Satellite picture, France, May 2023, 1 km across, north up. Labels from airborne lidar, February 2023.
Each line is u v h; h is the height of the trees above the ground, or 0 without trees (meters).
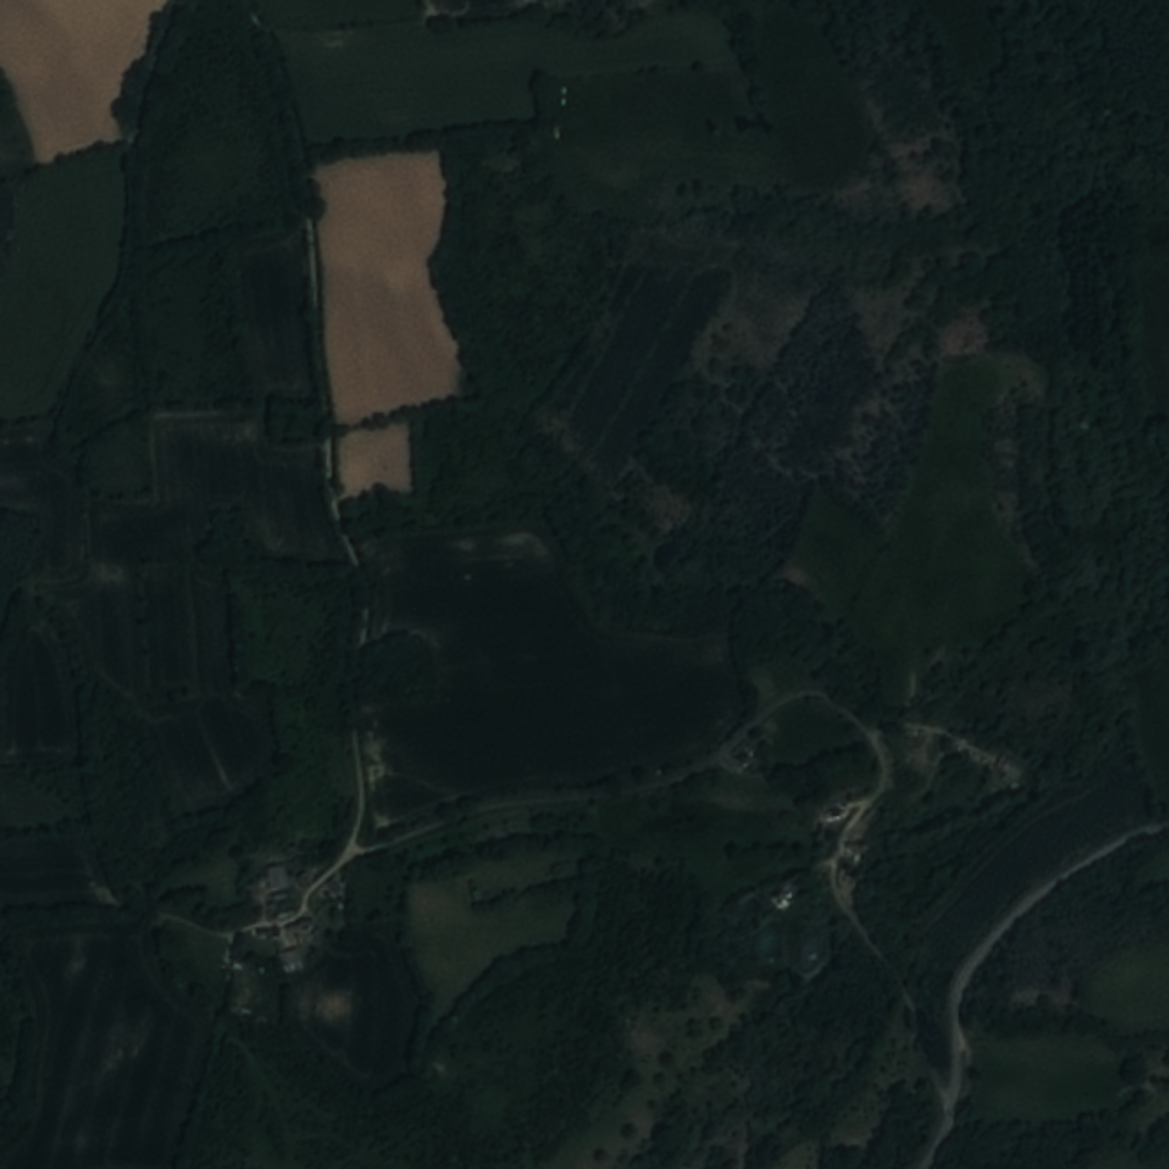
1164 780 0
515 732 0
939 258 6
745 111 0
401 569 0
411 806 0
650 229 6
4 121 0
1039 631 0
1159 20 12
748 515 11
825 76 0
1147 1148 12
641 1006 7
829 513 0
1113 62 19
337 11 0
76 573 0
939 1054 29
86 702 12
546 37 0
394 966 0
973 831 11
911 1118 10
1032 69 9
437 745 0
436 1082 11
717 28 0
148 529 0
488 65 0
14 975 15
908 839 16
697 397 8
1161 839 9
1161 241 0
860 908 11
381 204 0
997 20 18
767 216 12
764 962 0
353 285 0
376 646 12
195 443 0
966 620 0
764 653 17
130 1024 0
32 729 0
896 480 17
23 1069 13
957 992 0
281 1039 6
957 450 0
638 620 8
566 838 15
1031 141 13
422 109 0
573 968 6
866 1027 13
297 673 0
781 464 11
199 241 9
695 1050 0
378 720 0
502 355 6
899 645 0
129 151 10
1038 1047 0
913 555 0
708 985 0
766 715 0
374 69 0
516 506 6
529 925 0
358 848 0
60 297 0
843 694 16
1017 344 14
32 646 0
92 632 0
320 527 0
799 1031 8
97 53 0
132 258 14
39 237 0
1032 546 9
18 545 23
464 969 0
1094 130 17
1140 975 0
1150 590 6
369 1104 6
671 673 0
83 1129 0
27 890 0
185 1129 9
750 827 0
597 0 9
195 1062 0
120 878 11
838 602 0
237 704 0
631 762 0
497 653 0
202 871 0
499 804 0
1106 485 7
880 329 0
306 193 14
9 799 0
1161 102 18
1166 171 18
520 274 0
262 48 15
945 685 9
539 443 16
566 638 0
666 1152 12
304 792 0
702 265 0
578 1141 0
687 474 13
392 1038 0
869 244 7
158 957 6
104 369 0
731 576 10
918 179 0
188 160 0
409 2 0
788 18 0
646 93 0
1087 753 6
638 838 0
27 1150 0
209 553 12
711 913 19
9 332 0
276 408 12
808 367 11
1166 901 7
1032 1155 16
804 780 10
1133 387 17
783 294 0
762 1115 11
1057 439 9
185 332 0
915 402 14
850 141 0
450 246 14
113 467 0
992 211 18
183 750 0
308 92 0
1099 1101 0
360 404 0
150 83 13
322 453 10
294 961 0
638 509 9
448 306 17
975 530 0
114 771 6
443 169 11
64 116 0
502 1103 0
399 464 0
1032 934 5
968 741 8
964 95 26
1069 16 22
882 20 25
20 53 0
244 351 11
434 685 13
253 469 0
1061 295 14
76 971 0
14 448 0
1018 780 24
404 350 0
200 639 0
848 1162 19
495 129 13
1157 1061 15
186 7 10
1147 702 0
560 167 0
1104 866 6
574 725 0
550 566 0
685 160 0
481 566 0
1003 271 14
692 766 7
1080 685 9
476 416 8
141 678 0
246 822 13
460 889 0
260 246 0
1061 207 10
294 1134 0
